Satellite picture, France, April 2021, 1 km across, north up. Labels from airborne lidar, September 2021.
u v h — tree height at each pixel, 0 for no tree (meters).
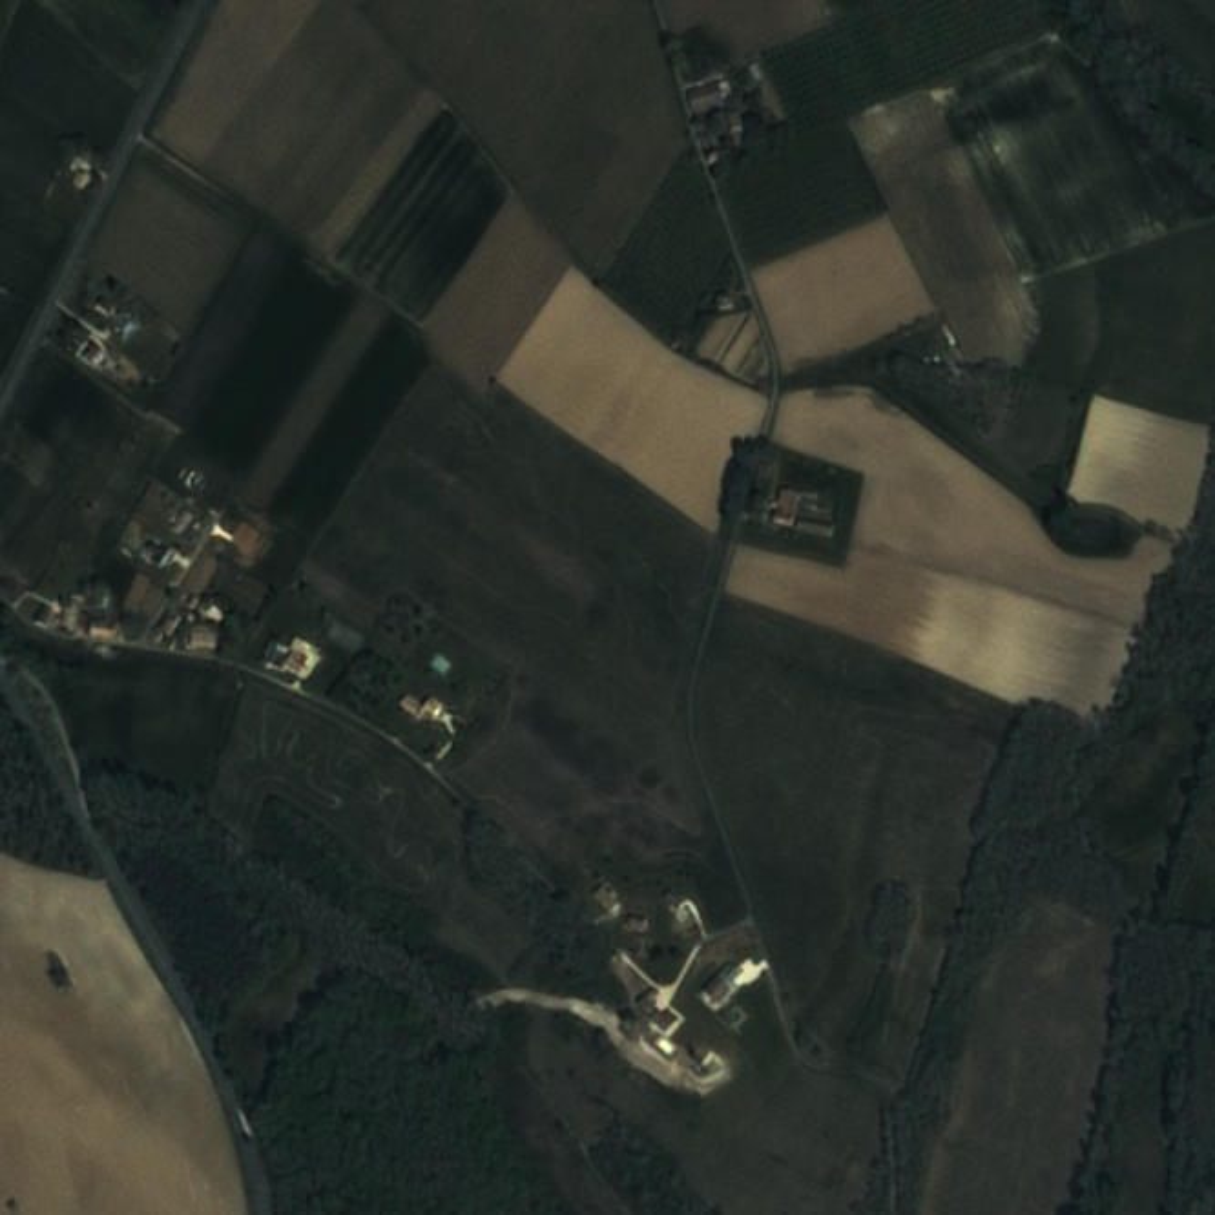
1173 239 0
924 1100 18
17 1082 0
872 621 0
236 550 0
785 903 0
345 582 0
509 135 0
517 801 0
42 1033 0
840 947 0
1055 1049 0
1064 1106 0
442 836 0
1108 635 0
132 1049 0
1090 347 0
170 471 0
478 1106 18
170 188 0
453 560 0
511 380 0
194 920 14
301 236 0
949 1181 0
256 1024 0
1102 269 0
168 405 0
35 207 0
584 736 0
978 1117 0
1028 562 0
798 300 0
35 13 0
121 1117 0
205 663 0
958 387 16
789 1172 0
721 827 0
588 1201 0
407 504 0
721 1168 0
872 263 0
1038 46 0
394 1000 25
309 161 0
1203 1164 21
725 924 0
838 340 0
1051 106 0
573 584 0
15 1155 0
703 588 0
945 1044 8
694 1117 0
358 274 0
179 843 20
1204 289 0
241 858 26
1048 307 0
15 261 0
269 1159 15
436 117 0
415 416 0
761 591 0
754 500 10
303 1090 21
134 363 0
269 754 0
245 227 0
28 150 0
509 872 18
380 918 8
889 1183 17
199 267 0
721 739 0
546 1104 0
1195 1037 20
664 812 0
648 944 0
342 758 0
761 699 0
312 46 0
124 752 0
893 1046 0
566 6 0
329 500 0
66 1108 0
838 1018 0
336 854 11
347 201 0
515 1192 20
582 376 0
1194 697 8
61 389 0
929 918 0
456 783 0
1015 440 0
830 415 0
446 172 0
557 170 0
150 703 0
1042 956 0
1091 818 16
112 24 0
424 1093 23
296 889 30
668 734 0
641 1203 21
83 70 0
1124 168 0
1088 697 0
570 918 21
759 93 8
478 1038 24
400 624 10
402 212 0
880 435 0
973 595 0
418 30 0
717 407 0
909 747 0
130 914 0
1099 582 0
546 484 0
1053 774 24
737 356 0
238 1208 0
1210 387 0
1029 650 0
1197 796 24
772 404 0
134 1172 0
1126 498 0
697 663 0
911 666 0
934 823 0
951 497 0
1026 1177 0
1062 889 19
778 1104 0
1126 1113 6
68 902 0
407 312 0
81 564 0
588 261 0
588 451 0
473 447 0
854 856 0
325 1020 28
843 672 0
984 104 0
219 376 0
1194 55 0
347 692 9
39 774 25
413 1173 23
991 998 0
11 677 15
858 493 0
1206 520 18
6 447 0
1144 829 0
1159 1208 0
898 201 0
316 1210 20
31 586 0
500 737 0
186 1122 0
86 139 6
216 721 0
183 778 0
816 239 0
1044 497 0
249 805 0
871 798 0
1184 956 24
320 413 0
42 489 0
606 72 0
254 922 17
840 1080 0
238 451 0
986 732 0
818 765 0
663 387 0
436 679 7
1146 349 0
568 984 6
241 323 0
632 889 0
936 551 0
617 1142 14
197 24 0
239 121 0
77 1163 0
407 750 0
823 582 0
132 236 0
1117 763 10
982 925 14
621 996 15
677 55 17
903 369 20
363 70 0
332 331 0
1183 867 11
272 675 0
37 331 0
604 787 0
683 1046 0
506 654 0
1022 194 0
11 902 0
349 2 0
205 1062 0
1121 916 17
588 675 0
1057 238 0
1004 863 21
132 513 0
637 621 0
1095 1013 0
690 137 10
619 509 0
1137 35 6
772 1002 0
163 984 0
